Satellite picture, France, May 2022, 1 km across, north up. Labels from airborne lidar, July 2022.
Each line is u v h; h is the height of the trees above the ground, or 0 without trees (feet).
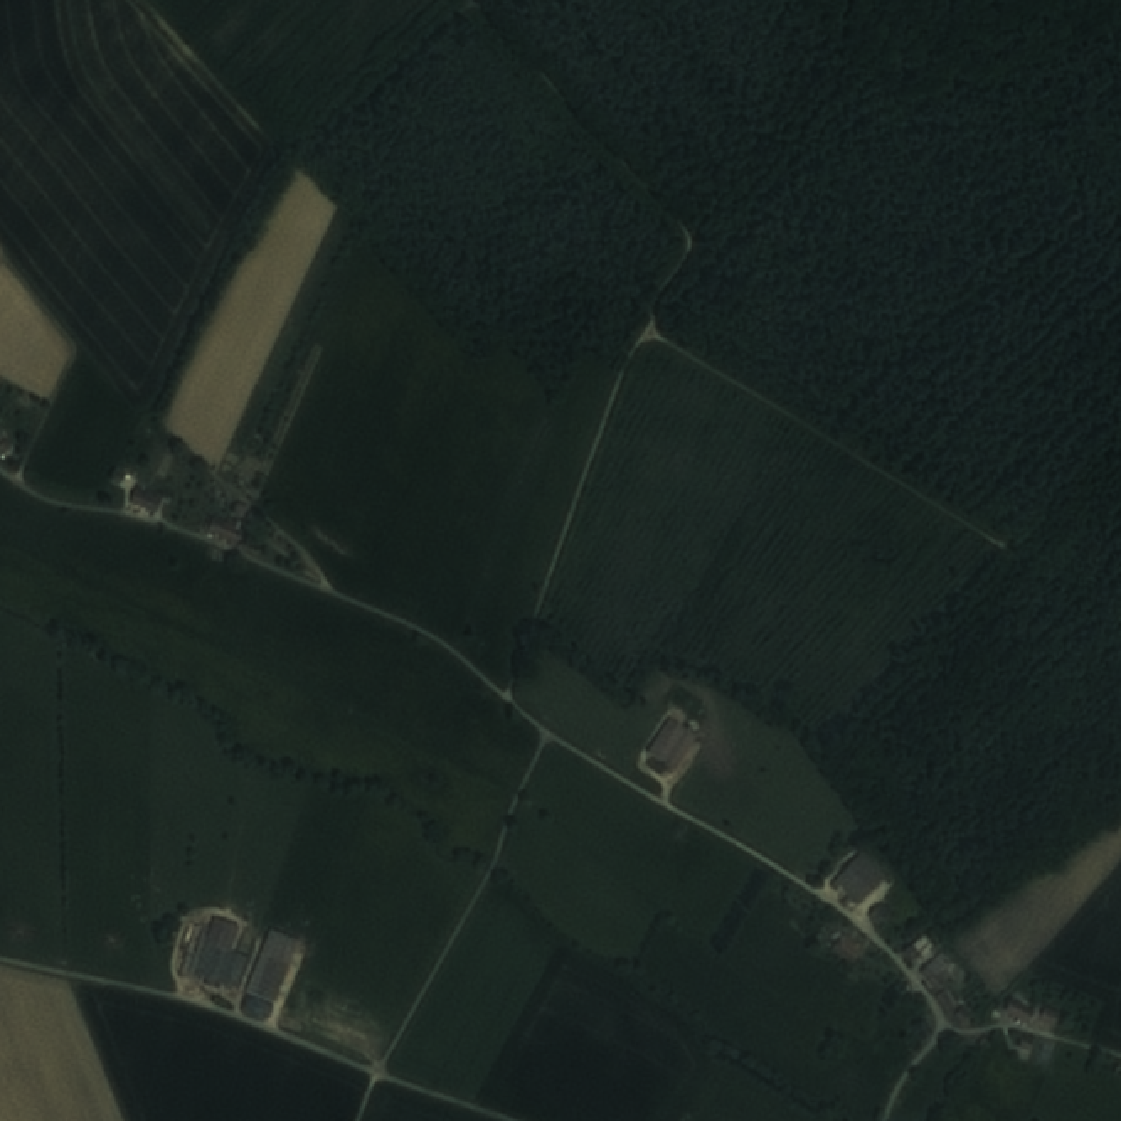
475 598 0
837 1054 50
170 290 0
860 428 72
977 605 49
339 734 0
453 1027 0
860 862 0
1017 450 69
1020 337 71
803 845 0
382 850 0
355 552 0
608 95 67
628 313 53
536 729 0
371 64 28
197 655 0
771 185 37
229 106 0
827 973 0
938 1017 0
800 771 0
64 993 0
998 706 61
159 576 0
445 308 61
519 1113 0
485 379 0
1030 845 95
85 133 0
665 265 41
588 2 84
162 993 0
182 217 0
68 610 0
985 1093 0
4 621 0
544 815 37
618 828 0
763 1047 0
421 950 0
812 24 68
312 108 34
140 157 0
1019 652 85
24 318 0
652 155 56
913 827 79
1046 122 31
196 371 0
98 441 0
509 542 0
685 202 67
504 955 0
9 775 0
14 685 0
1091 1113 0
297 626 0
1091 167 69
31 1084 0
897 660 65
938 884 74
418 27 37
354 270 0
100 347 0
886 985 27
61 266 0
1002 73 52
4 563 0
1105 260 75
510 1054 0
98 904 0
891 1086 0
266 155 0
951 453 64
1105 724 97
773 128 48
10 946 0
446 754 0
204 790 0
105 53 0
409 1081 0
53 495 0
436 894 0
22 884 0
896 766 82
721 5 73
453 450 0
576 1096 0
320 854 0
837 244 54
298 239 0
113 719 0
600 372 0
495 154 84
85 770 0
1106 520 75
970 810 70
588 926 0
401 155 79
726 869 0
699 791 0
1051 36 81
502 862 0
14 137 0
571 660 73
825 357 73
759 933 0
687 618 25
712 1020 0
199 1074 0
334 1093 0
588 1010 0
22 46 0
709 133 64
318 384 0
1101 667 59
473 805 0
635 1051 0
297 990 0
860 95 71
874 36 98
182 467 0
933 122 76
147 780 0
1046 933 0
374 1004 0
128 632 0
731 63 71
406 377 0
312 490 0
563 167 65
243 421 0
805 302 83
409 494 0
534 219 87
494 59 74
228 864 0
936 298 68
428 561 0
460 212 72
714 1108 0
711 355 53
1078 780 68
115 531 0
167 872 0
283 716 0
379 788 56
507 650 0
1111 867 0
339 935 0
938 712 80
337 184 56
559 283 87
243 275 0
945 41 98
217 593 0
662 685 0
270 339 0
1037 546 52
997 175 65
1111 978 0
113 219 0
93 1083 0
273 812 0
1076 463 82
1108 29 59
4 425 0
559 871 0
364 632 0
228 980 0
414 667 0
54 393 0
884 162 59
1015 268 59
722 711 0
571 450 0
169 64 0
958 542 21
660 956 0
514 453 0
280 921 0
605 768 0
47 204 0
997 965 0
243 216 63
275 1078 0
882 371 39
